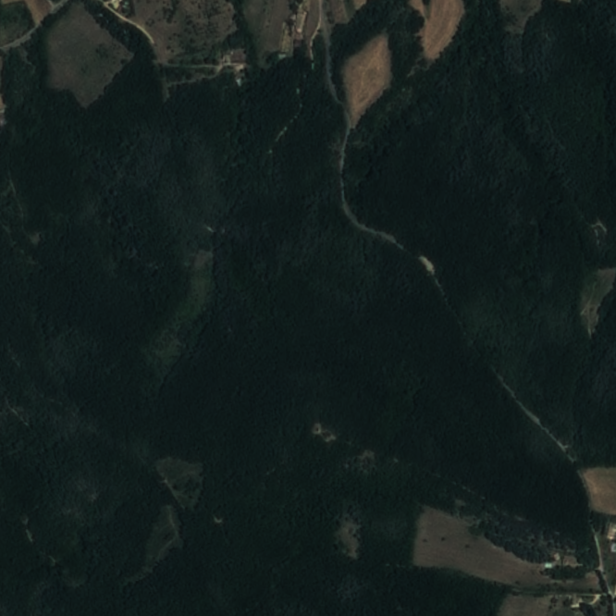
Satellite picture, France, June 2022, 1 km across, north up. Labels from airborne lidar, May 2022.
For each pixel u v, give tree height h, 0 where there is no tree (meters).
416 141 12
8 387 12
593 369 14
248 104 14
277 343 13
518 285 11
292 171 9
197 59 10
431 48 0
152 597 13
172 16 6
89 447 9
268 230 12
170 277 18
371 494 16
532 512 11
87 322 10
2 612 6
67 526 9
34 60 9
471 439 17
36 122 11
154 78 10
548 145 8
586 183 15
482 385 17
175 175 6
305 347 15
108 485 8
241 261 7
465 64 10
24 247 11
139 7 0
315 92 16
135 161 7
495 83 22
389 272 13
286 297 13
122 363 9
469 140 10
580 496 14
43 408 9
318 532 12
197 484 9
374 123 20
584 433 12
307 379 11
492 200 18
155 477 12
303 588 13
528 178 8
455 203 13
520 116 18
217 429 12
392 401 6
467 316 8
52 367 9
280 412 12
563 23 14
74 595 10
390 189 8
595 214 8
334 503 18
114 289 10
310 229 18
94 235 10
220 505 11
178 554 17
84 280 13
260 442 12
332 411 9
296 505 14
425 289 15
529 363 10
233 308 19
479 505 8
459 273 13
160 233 12
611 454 11
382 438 6
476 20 9
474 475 13
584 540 10
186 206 7
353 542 0
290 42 0
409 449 11
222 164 8
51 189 6
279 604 9
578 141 13
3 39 0
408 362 15
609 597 12
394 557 14
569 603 10
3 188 11
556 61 12
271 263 14
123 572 12
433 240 12
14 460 16
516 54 16
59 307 11
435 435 15
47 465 13
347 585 21
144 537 13
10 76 7
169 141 6
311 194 7
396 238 7
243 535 12
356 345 13
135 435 9
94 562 13
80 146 11
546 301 10
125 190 10
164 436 13
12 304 9
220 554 15
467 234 12
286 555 13
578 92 15
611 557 0
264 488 8
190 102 10
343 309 14
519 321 13
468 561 0
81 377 11
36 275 11
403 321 15
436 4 0
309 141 9
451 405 16
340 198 14
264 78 9
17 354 8
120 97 6
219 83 8
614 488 0
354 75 0
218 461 12
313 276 11
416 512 8
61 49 0
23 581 7
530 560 14
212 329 16
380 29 11
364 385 17
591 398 11
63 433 8
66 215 6
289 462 9
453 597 8
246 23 7
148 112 6
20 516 6
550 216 26
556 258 12
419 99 13
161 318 8
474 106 10
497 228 13
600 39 19
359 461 10
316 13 0
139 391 11
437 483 13
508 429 11
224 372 13
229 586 10
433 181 12
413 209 11
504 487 12
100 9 11
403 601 15
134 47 15
